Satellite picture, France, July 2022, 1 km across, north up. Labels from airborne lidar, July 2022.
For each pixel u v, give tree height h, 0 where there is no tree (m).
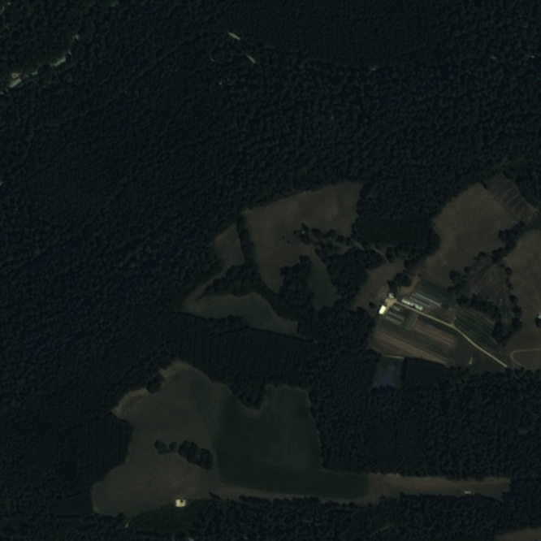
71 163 26
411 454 18
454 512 37
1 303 17
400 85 39
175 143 18
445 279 0
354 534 9
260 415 0
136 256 26
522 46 22
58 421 17
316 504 26
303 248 0
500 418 30
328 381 32
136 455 0
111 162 21
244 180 21
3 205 13
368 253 17
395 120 28
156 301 19
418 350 0
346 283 14
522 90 27
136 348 16
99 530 30
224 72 27
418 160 29
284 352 15
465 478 19
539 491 38
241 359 19
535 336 0
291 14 18
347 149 30
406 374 20
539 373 10
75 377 16
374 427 16
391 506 9
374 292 0
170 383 0
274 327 0
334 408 33
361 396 31
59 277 21
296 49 21
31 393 22
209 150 23
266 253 0
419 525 11
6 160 17
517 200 0
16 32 6
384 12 22
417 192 30
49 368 21
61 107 19
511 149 25
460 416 32
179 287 19
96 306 30
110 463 17
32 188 27
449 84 17
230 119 29
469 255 0
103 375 16
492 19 30
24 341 24
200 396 0
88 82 11
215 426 0
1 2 9
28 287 18
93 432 17
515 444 18
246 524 32
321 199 0
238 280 25
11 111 26
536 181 29
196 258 19
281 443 0
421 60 21
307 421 0
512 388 12
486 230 0
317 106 31
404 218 11
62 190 25
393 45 20
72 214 25
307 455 0
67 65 14
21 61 24
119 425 12
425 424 23
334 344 19
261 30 18
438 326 0
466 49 46
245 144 27
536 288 0
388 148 25
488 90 33
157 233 23
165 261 18
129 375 27
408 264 16
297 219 0
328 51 23
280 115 31
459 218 0
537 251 0
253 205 9
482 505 26
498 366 0
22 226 25
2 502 17
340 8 22
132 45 17
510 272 12
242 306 0
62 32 21
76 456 18
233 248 0
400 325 0
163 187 21
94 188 23
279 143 8
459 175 19
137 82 15
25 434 18
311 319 24
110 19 30
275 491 0
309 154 27
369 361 26
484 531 15
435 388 8
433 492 0
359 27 20
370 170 25
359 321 25
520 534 0
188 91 28
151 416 0
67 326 34
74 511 15
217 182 16
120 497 0
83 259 22
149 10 24
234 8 18
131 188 16
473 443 28
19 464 18
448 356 0
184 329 20
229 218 18
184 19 22
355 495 0
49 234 23
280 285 0
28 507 20
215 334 14
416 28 19
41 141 16
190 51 18
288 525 32
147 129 25
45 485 18
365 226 11
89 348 24
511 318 0
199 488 0
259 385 9
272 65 27
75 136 20
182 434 0
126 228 18
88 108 16
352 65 20
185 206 20
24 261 23
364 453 13
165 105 16
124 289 25
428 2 19
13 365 29
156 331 15
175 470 0
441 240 13
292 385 17
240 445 0
